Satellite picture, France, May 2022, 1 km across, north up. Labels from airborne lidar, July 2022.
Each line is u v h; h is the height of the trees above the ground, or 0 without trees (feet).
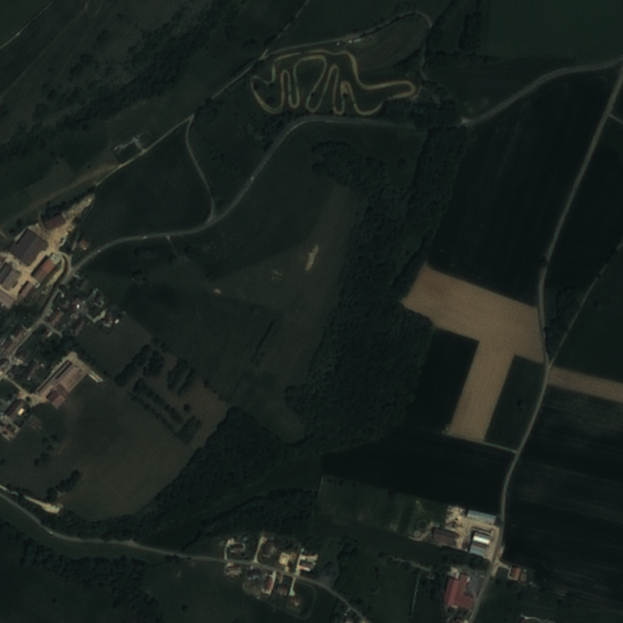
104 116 40
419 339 79
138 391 41
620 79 0
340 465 0
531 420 0
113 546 0
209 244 0
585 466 0
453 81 0
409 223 52
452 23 0
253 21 0
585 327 0
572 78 0
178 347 0
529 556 0
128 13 0
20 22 0
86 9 0
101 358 0
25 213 0
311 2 0
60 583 0
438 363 0
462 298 0
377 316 73
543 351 0
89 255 0
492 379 0
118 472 0
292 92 0
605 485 0
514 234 0
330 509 0
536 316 0
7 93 0
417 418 0
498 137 0
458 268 0
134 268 0
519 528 0
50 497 38
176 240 0
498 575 0
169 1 0
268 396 0
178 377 30
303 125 0
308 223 0
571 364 0
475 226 0
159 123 0
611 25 0
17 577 0
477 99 0
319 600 0
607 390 0
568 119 0
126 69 18
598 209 0
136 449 0
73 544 0
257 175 0
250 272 0
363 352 84
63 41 0
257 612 0
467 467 0
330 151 19
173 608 0
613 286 0
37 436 0
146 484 0
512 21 0
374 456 0
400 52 0
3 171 0
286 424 0
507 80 0
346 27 0
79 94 30
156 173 0
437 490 0
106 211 0
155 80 29
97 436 0
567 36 0
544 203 0
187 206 0
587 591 0
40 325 0
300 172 0
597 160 0
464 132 44
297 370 0
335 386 31
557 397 0
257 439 66
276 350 0
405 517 0
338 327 20
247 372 0
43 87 20
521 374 0
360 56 0
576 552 0
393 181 0
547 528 0
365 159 49
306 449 56
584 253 0
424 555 0
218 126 0
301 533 64
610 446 0
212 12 28
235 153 0
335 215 0
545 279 0
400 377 84
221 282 0
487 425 0
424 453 0
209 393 0
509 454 0
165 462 0
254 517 60
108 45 0
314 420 34
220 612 0
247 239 0
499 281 0
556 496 0
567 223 0
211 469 60
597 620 0
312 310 0
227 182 0
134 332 0
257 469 62
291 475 0
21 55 0
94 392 0
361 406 80
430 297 0
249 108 0
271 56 25
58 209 33
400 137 0
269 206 0
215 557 0
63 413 0
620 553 0
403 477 0
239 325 0
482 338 0
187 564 0
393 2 0
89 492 0
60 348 40
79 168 0
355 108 0
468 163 0
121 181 0
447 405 0
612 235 0
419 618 0
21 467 0
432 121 75
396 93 0
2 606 0
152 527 43
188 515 62
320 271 0
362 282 62
